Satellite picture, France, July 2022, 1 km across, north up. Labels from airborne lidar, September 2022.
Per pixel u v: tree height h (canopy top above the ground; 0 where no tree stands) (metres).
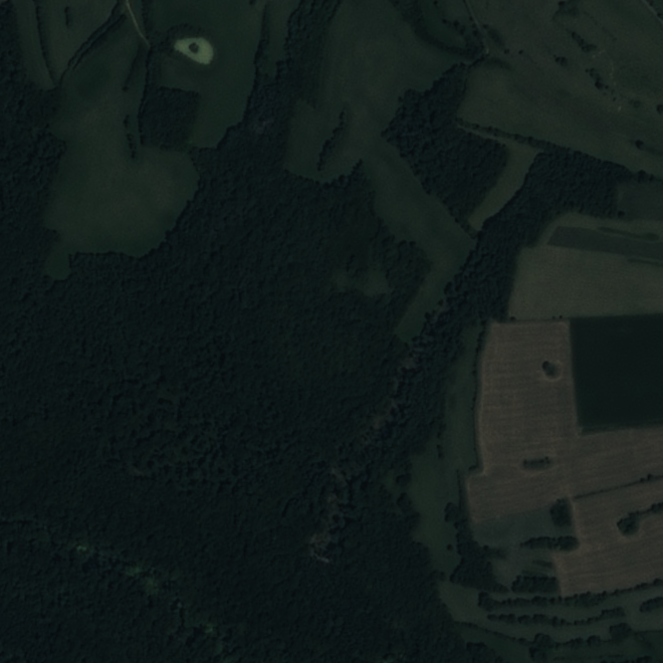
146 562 29
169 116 20
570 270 0
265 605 25
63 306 18
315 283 8
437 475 0
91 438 24
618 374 0
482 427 0
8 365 22
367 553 13
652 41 0
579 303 0
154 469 22
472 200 18
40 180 19
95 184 0
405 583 13
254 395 23
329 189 18
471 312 15
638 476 0
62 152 12
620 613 10
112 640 26
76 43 0
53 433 21
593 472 0
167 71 0
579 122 0
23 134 22
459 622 8
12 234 24
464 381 0
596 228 0
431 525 0
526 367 0
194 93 9
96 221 0
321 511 15
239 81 0
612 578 0
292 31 11
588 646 9
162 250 14
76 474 16
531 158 0
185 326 22
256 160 20
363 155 0
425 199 0
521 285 0
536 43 0
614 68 0
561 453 0
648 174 13
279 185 16
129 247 0
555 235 0
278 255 12
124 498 16
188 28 8
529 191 14
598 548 0
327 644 27
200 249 21
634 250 0
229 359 24
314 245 6
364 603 19
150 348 23
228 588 27
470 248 0
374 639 15
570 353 0
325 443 19
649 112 0
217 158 16
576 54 0
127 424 24
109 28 9
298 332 10
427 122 19
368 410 14
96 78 0
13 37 15
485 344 12
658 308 0
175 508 20
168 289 16
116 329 21
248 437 25
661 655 0
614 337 0
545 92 0
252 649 23
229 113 0
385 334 8
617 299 0
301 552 18
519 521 0
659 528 0
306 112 0
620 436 0
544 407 0
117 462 21
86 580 31
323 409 18
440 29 0
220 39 0
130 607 27
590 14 0
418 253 15
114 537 23
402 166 0
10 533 27
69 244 0
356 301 11
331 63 0
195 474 26
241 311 24
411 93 7
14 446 19
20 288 24
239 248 8
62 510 28
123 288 17
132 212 0
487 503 0
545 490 0
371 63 0
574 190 14
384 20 0
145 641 27
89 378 20
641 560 0
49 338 14
